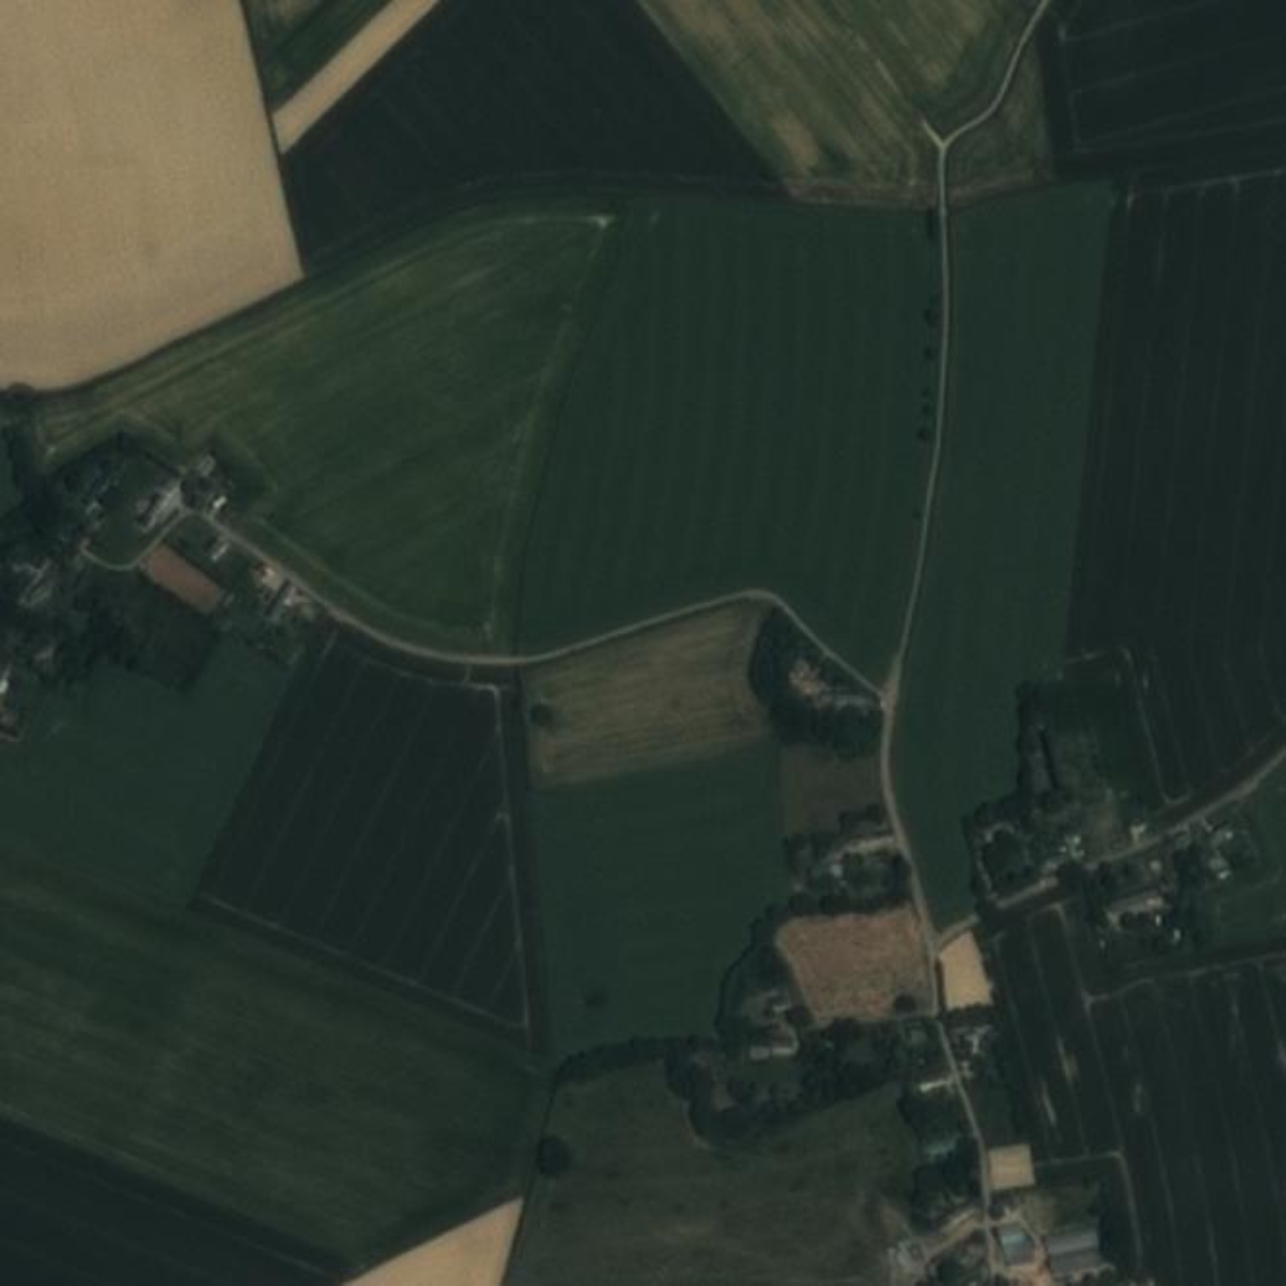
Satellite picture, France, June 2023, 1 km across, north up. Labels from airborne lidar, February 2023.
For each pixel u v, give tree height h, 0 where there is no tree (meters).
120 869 0
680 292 0
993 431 0
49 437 0
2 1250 0
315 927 0
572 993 0
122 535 0
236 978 0
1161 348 0
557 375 0
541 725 18
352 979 0
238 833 0
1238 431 0
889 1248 0
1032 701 10
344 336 0
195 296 0
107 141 0
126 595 0
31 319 0
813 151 0
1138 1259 0
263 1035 0
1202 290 0
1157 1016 0
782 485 0
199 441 0
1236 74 0
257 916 0
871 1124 0
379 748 0
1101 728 0
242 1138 0
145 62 0
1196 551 0
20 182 0
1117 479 0
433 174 0
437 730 0
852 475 0
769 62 0
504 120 0
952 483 0
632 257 0
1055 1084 0
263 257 0
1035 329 0
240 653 0
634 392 0
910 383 0
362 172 0
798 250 0
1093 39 0
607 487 0
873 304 0
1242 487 0
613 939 0
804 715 14
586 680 0
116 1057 0
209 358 0
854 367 0
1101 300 0
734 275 0
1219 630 0
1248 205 0
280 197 0
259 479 0
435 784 0
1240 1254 0
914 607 0
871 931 0
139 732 0
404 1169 0
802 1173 0
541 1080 0
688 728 0
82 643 7
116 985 0
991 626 0
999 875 13
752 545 0
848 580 0
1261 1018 0
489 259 0
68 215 0
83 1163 0
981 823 12
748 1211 0
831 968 0
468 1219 0
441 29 0
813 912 20
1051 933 0
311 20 0
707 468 0
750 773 0
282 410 0
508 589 0
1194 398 0
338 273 0
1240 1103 0
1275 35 0
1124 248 0
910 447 0
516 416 0
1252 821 0
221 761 0
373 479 0
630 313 0
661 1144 0
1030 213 0
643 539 0
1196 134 0
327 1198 0
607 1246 0
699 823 0
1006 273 0
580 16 0
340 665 0
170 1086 0
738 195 0
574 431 0
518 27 0
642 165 0
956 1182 18
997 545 0
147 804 0
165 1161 0
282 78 0
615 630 0
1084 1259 0
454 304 0
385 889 0
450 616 0
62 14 0
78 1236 0
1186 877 11
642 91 0
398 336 0
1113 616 0
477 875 0
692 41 0
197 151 0
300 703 0
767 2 0
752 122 0
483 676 0
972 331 0
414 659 0
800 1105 9
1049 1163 0
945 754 0
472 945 0
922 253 0
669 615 0
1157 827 0
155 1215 0
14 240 0
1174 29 0
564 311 0
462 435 0
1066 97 0
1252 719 0
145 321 0
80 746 0
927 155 0
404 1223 0
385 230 0
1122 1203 0
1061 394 0
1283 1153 0
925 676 0
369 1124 0
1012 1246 0
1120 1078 0
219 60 0
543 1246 0
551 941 0
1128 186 0
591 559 0
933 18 0
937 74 0
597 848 0
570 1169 19
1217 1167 0
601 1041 0
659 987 0
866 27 0
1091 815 0
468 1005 0
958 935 0
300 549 0
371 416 0
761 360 0
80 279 0
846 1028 9
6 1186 0
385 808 0
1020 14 0
